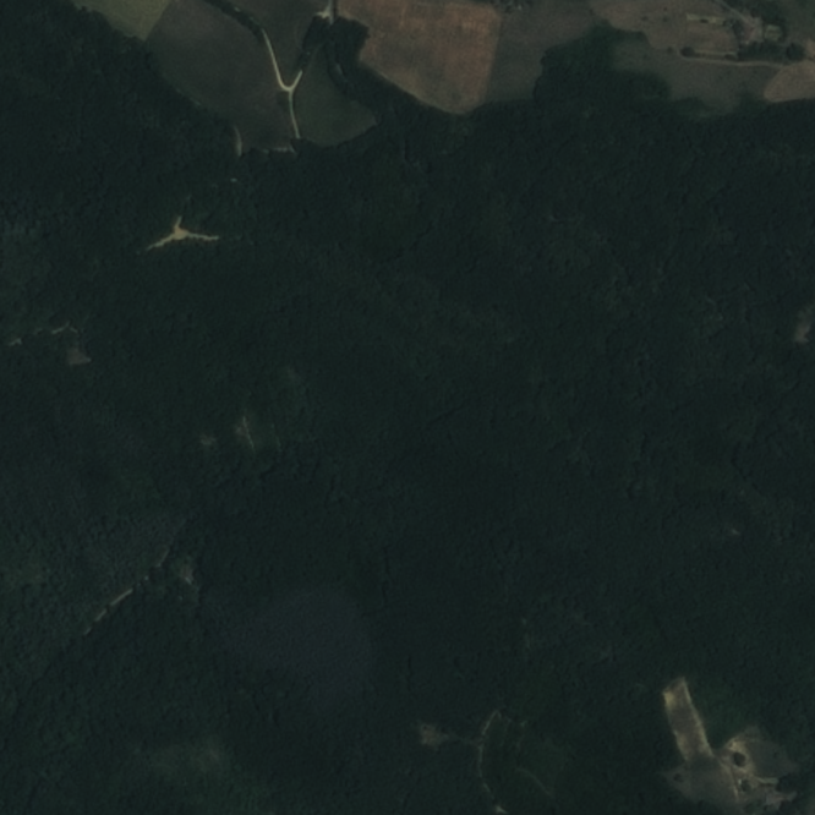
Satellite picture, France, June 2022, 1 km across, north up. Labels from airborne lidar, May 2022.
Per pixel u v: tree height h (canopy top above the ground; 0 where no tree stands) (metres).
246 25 11
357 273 16
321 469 27
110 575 15
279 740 12
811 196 21
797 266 22
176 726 11
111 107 26
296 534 24
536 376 16
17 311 9
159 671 18
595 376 27
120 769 8
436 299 20
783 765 0
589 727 10
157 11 0
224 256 18
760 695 13
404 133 20
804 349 20
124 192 20
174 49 0
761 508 15
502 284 24
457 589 21
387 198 17
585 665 21
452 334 18
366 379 19
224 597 19
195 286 19
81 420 16
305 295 15
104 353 17
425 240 17
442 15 0
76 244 20
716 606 18
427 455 14
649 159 25
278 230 17
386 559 12
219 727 10
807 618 11
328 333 18
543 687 15
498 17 0
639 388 21
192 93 0
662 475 21
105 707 18
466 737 20
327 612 17
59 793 17
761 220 22
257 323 14
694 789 0
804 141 25
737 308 25
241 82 0
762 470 19
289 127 0
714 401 23
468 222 25
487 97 0
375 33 0
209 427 17
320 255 14
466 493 10
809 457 23
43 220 19
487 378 17
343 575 20
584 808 7
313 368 17
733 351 26
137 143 22
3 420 13
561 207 25
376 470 19
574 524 10
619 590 15
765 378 18
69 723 10
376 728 23
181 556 21
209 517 25
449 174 24
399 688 20
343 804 16
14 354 14
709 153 25
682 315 18
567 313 21
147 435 16
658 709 18
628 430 26
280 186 17
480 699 19
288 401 12
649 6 0
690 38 0
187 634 20
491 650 12
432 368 19
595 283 24
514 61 0
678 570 19
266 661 20
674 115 13
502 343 19
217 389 19
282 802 12
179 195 18
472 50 0
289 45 0
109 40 21
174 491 19
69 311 9
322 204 21
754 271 23
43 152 23
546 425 20
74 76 20
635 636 21
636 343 26
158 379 17
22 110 23
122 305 19
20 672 17
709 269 25
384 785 17
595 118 24
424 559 24
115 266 16
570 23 0
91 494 15
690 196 22
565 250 21
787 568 19
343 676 18
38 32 27
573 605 7
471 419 24
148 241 14
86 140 22
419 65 0
